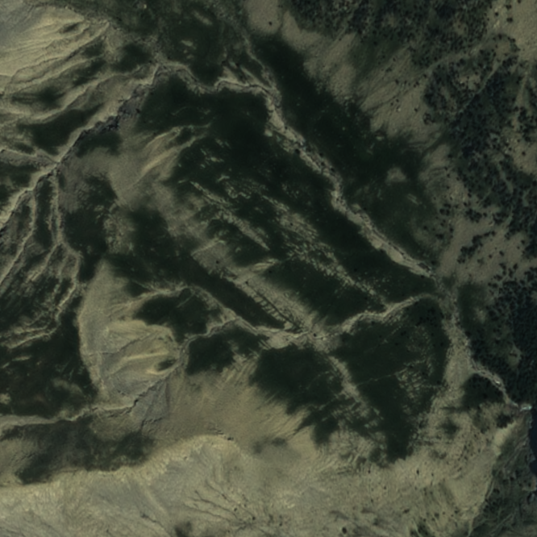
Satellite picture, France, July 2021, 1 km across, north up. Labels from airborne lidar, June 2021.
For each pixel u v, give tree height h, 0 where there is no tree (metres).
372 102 0
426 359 0
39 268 0
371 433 0
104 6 0
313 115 0
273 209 0
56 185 0
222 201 0
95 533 0
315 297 0
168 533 0
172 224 0
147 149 0
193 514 0
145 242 0
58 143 0
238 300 0
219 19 0
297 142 0
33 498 0
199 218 0
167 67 0
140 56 0
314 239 0
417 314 0
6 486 0
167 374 0
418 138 0
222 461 0
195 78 0
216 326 0
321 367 0
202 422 0
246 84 0
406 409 0
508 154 9
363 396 0
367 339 0
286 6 0
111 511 0
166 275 0
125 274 0
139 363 0
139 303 0
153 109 0
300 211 0
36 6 0
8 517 0
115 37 0
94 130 0
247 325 0
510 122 7
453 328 0
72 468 0
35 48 0
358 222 0
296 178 0
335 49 0
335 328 0
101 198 0
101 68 0
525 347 15
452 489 0
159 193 0
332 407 0
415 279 0
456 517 0
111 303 0
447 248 0
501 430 0
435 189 0
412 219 0
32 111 0
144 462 0
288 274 0
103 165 0
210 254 0
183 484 0
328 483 0
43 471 0
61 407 0
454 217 0
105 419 0
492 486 0
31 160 0
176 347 0
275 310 0
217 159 0
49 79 0
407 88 0
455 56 0
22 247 0
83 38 0
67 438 0
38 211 0
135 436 0
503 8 0
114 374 0
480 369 0
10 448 0
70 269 0
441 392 0
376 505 0
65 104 0
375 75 0
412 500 0
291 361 0
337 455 0
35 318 0
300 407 0
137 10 0
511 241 0
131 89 0
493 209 0
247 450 0
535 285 12
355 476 0
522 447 0
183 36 0
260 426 0
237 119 0
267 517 0
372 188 0
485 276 0
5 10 0
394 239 0
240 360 0
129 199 0
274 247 0
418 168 0
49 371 0
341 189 0
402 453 0
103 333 0
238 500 0
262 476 0
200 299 0
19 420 0
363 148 0
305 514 0
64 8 0
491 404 0
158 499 0
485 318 0
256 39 0
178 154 0
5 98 0
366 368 0
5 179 0
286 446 0
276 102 0
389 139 0
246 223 0
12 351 0
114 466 0
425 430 0
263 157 0
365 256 0
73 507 0
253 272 0
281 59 0
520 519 0
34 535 0
